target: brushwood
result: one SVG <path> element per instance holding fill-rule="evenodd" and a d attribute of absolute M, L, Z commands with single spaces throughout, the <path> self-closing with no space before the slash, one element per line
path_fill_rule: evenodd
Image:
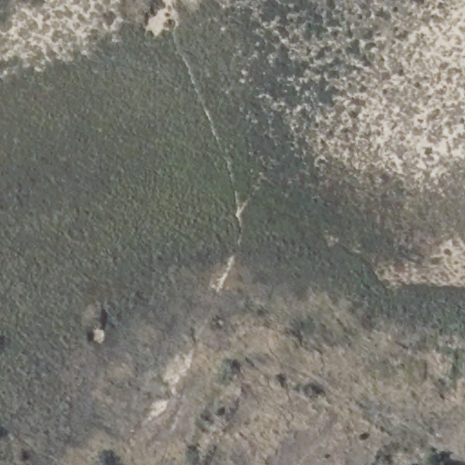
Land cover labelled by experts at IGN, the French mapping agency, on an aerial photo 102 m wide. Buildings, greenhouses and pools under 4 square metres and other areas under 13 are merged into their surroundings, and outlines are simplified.
<path fill-rule="evenodd" d="M 7 25 L 11 29 L 11 0 L 0 0 L 0 25 Z"/>
<path fill-rule="evenodd" d="M 307 62 L 291 60 L 289 49 L 272 35 L 271 29 L 265 29 L 262 24 L 271 22 L 278 16 L 278 31 L 282 33 L 283 38 L 292 29 L 305 25 L 307 29 L 303 35 L 307 40 L 311 40 L 312 36 L 322 38 L 325 29 L 322 27 L 322 16 L 318 15 L 318 9 L 311 0 L 271 0 L 263 4 L 262 15 L 252 20 L 251 9 L 222 9 L 216 0 L 176 0 L 174 4 L 180 16 L 180 25 L 173 33 L 163 31 L 160 35 L 154 35 L 151 29 L 147 29 L 147 25 L 158 13 L 158 9 L 163 7 L 162 0 L 120 0 L 118 9 L 122 15 L 122 25 L 118 29 L 118 44 L 113 44 L 111 36 L 105 33 L 102 42 L 87 56 L 80 51 L 73 51 L 71 62 L 56 60 L 45 65 L 45 71 L 42 73 L 25 67 L 24 71 L 18 74 L 0 78 L 0 256 L 2 249 L 18 252 L 18 256 L 25 260 L 25 272 L 31 272 L 31 269 L 36 267 L 38 278 L 47 278 L 54 263 L 64 265 L 65 262 L 71 262 L 74 274 L 85 276 L 89 280 L 87 287 L 80 289 L 84 292 L 85 305 L 91 305 L 98 314 L 102 311 L 107 312 L 107 325 L 102 329 L 102 341 L 107 347 L 118 345 L 118 331 L 124 327 L 131 327 L 134 314 L 140 314 L 140 318 L 145 322 L 149 312 L 156 312 L 154 305 L 149 305 L 149 298 L 153 294 L 153 258 L 158 258 L 163 271 L 169 271 L 171 265 L 176 265 L 187 267 L 191 272 L 209 271 L 213 274 L 222 274 L 223 265 L 227 263 L 229 256 L 234 256 L 234 260 L 251 271 L 252 283 L 276 287 L 282 283 L 289 283 L 289 289 L 298 300 L 307 300 L 307 296 L 314 292 L 327 292 L 332 303 L 347 300 L 351 303 L 349 312 L 354 316 L 354 320 L 361 323 L 365 331 L 374 331 L 374 320 L 385 316 L 387 322 L 411 327 L 411 332 L 414 332 L 416 325 L 427 325 L 430 329 L 440 332 L 441 336 L 458 334 L 460 338 L 465 338 L 465 285 L 458 287 L 434 283 L 403 283 L 400 287 L 391 287 L 391 283 L 380 280 L 374 274 L 374 269 L 381 262 L 392 262 L 396 269 L 403 271 L 403 263 L 411 262 L 416 265 L 416 269 L 420 269 L 425 262 L 425 256 L 430 256 L 441 243 L 449 242 L 452 238 L 460 238 L 465 232 L 465 189 L 447 185 L 440 176 L 438 183 L 445 191 L 443 198 L 440 194 L 430 191 L 403 189 L 398 173 L 387 174 L 376 165 L 367 167 L 367 171 L 360 171 L 356 167 L 345 167 L 340 158 L 331 156 L 327 158 L 325 169 L 318 171 L 314 167 L 314 156 L 292 156 L 292 134 L 289 124 L 285 122 L 285 113 L 276 111 L 272 124 L 267 124 L 267 116 L 262 113 L 258 94 L 269 93 L 274 100 L 285 100 L 289 107 L 309 104 L 316 107 L 320 102 L 332 105 L 334 96 L 338 94 L 336 87 L 325 89 L 325 80 L 311 80 L 302 84 L 298 91 L 294 91 L 294 87 L 287 82 L 287 76 L 303 76 L 307 69 L 312 73 L 327 73 L 338 78 L 336 67 L 341 65 L 343 60 L 334 58 L 331 64 L 314 67 L 314 60 L 325 58 L 325 54 L 329 53 L 331 45 L 327 45 Z"/>

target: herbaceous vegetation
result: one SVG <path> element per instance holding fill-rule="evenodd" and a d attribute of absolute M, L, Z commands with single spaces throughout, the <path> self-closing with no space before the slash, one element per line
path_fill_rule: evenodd
<path fill-rule="evenodd" d="M 452 238 L 449 242 L 441 243 L 430 256 L 425 256 L 425 262 L 420 269 L 416 269 L 416 265 L 411 262 L 403 263 L 403 271 L 396 269 L 392 262 L 381 262 L 374 269 L 374 274 L 380 280 L 391 283 L 391 287 L 400 287 L 403 283 L 434 283 L 458 287 L 465 285 L 465 232 L 460 238 Z"/>
<path fill-rule="evenodd" d="M 173 33 L 180 25 L 180 16 L 174 4 L 176 0 L 162 0 L 163 7 L 163 31 Z"/>
<path fill-rule="evenodd" d="M 216 0 L 222 9 L 251 9 L 252 20 L 262 15 L 263 4 L 271 0 Z"/>
<path fill-rule="evenodd" d="M 25 67 L 42 73 L 45 71 L 45 65 L 56 60 L 71 62 L 73 51 L 80 51 L 87 56 L 102 42 L 105 33 L 111 36 L 113 44 L 118 44 L 118 29 L 122 25 L 122 15 L 118 9 L 120 0 L 11 0 L 11 29 L 7 25 L 0 25 L 0 78 L 18 74 L 24 71 Z"/>
<path fill-rule="evenodd" d="M 307 40 L 303 35 L 307 29 L 305 25 L 292 29 L 283 38 L 282 33 L 278 31 L 278 16 L 271 22 L 262 24 L 265 29 L 271 29 L 272 35 L 289 49 L 291 60 L 307 62 L 327 45 L 331 45 L 329 53 L 325 54 L 325 58 L 314 60 L 314 67 L 331 64 L 334 58 L 343 60 L 341 65 L 336 67 L 338 78 L 327 73 L 312 73 L 307 69 L 303 76 L 287 76 L 287 82 L 294 87 L 294 91 L 298 91 L 302 84 L 311 80 L 325 80 L 325 89 L 336 87 L 338 94 L 334 96 L 332 105 L 320 102 L 316 107 L 309 104 L 289 107 L 285 100 L 274 100 L 269 93 L 258 94 L 262 113 L 267 116 L 267 124 L 272 124 L 276 111 L 285 113 L 285 122 L 289 124 L 292 134 L 292 156 L 314 156 L 314 167 L 318 171 L 325 169 L 327 158 L 331 156 L 340 158 L 345 167 L 356 167 L 360 171 L 367 171 L 367 167 L 376 165 L 387 174 L 398 173 L 403 189 L 430 191 L 440 194 L 443 198 L 445 191 L 438 183 L 440 176 L 447 185 L 465 189 L 465 0 L 311 0 L 318 9 L 318 15 L 322 16 L 322 27 L 325 29 L 322 38 L 312 36 L 311 40 Z"/>
<path fill-rule="evenodd" d="M 87 287 L 89 280 L 85 276 L 74 274 L 71 262 L 65 262 L 64 265 L 54 263 L 47 278 L 38 278 L 36 267 L 31 269 L 31 272 L 25 272 L 25 260 L 18 256 L 18 252 L 2 249 L 0 256 L 0 465 L 465 465 L 465 338 L 460 338 L 458 334 L 441 336 L 440 332 L 430 329 L 427 325 L 416 325 L 414 332 L 411 332 L 411 327 L 387 322 L 385 316 L 374 320 L 374 331 L 365 331 L 361 323 L 354 320 L 354 316 L 349 312 L 351 303 L 347 300 L 332 303 L 327 292 L 314 292 L 307 296 L 307 300 L 298 300 L 289 289 L 289 283 L 282 283 L 276 287 L 252 283 L 251 271 L 234 260 L 231 274 L 223 283 L 222 291 L 211 289 L 209 283 L 213 274 L 209 271 L 191 272 L 187 267 L 176 265 L 171 265 L 169 271 L 163 271 L 158 258 L 153 258 L 153 294 L 149 298 L 149 305 L 154 305 L 156 312 L 149 312 L 145 322 L 140 318 L 140 314 L 134 314 L 131 327 L 124 327 L 118 331 L 118 345 L 107 347 L 102 341 L 102 329 L 107 325 L 107 312 L 102 311 L 98 314 L 91 305 L 85 305 L 84 292 L 80 289 Z M 176 354 L 189 354 L 193 356 L 193 360 L 191 369 L 178 381 L 178 389 L 171 394 L 171 385 L 163 376 L 169 361 L 173 360 Z"/>

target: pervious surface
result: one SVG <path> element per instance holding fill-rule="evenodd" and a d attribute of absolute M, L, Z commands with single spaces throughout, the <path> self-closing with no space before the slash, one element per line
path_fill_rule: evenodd
<path fill-rule="evenodd" d="M 193 360 L 193 356 L 189 354 L 176 354 L 173 360 L 169 361 L 163 376 L 171 385 L 171 394 L 178 389 L 178 381 L 191 369 Z"/>
<path fill-rule="evenodd" d="M 223 283 L 231 274 L 234 260 L 234 256 L 229 256 L 227 263 L 223 265 L 222 274 L 213 274 L 209 283 L 211 289 L 222 291 Z"/>
<path fill-rule="evenodd" d="M 151 29 L 154 35 L 160 35 L 163 31 L 163 7 L 158 9 L 158 13 L 147 25 L 147 29 Z"/>

